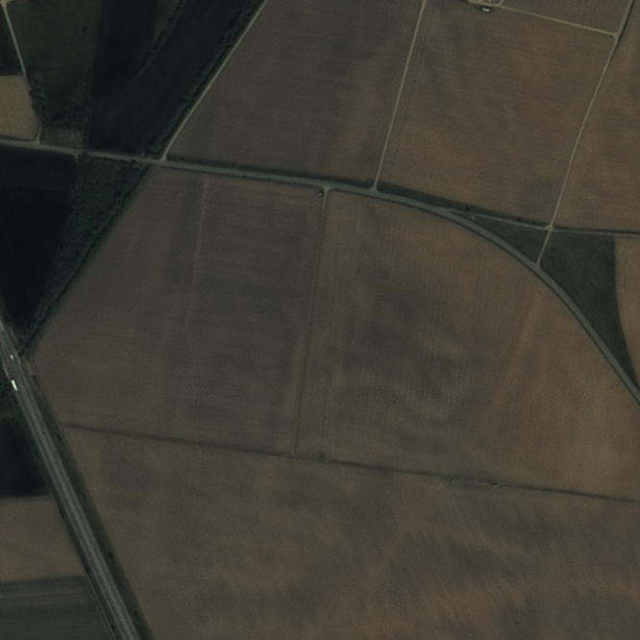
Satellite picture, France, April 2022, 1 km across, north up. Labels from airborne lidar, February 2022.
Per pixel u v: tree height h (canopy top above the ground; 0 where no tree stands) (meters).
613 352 0
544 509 0
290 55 0
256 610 0
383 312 0
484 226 0
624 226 0
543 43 0
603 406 0
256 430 0
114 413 0
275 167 0
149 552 0
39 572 0
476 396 0
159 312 0
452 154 0
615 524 0
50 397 0
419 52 0
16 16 0
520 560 0
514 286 0
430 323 0
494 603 0
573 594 0
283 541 0
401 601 0
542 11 0
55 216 0
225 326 0
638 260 0
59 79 0
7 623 0
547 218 0
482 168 0
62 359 0
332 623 0
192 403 0
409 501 0
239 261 0
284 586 0
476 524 0
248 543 0
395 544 0
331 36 0
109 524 0
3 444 0
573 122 0
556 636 0
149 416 0
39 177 0
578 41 0
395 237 0
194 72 0
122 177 9
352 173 0
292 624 0
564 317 0
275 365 0
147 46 0
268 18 0
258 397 0
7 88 0
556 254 0
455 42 0
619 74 0
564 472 0
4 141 0
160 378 0
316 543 0
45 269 0
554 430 0
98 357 0
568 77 0
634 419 0
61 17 0
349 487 0
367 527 0
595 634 0
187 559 0
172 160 0
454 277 0
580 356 0
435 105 0
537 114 0
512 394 0
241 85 0
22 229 0
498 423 0
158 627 0
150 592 0
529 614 0
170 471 0
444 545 0
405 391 0
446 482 0
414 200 0
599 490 0
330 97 0
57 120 13
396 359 0
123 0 0
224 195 0
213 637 0
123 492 0
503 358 0
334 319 0
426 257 0
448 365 0
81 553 0
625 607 0
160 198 0
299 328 0
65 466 0
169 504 0
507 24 0
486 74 0
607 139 0
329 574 0
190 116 0
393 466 0
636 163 0
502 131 0
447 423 0
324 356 0
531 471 0
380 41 0
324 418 0
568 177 0
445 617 0
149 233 0
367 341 0
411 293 0
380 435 0
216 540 0
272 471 0
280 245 0
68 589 0
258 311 0
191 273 0
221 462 0
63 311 0
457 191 0
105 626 0
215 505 0
